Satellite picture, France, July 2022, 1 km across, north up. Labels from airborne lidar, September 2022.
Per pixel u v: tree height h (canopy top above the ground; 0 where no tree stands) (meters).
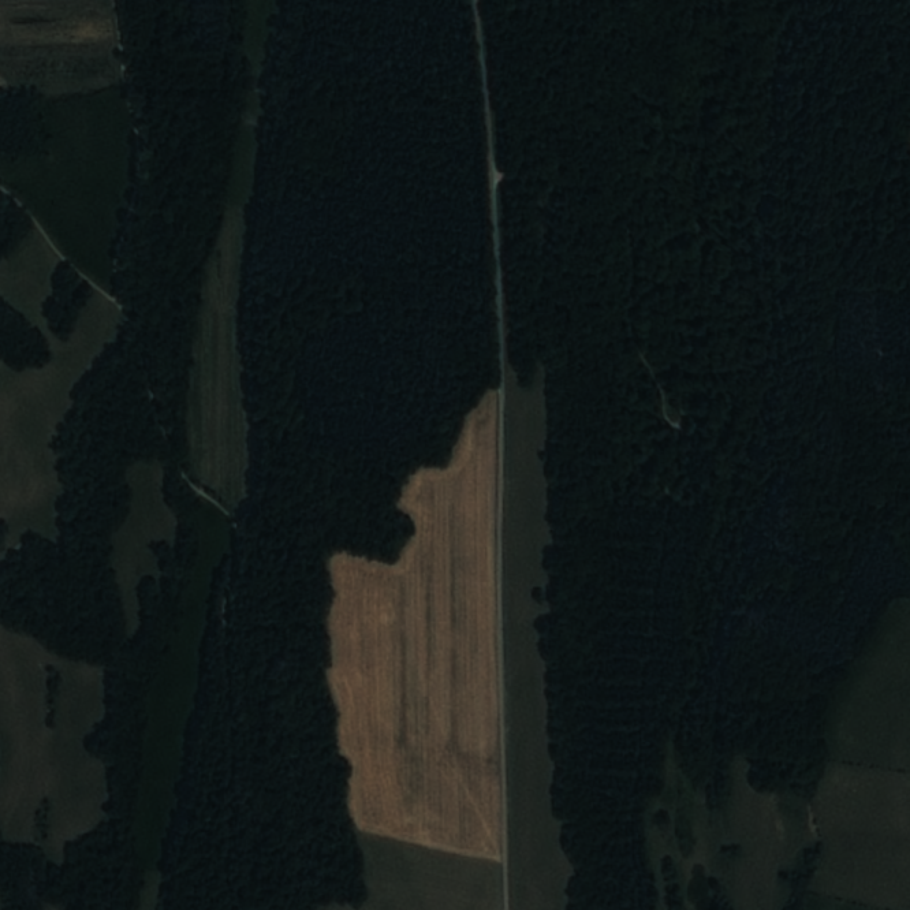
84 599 24
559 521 24
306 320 24
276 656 30
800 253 34
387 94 23
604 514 19
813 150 31
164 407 19
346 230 17
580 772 19
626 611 21
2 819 0
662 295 29
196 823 24
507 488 0
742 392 33
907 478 29
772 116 18
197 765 18
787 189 27
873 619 19
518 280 21
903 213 16
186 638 0
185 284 26
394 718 0
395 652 0
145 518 0
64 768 0
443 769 0
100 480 21
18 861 10
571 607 21
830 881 0
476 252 16
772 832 0
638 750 18
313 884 19
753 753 18
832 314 21
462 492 0
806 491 31
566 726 17
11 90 9
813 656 30
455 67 23
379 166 17
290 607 22
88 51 0
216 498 13
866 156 29
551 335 20
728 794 7
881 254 24
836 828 0
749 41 30
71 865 11
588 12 26
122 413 22
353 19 18
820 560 20
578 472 16
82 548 21
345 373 20
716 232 28
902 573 25
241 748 19
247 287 13
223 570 9
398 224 22
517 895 0
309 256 23
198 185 23
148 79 13
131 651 20
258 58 0
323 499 24
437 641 0
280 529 9
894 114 29
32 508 0
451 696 0
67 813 0
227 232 0
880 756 0
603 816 24
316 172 24
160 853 0
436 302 24
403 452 20
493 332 23
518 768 0
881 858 0
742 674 34
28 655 0
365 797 0
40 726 0
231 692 16
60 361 0
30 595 25
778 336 31
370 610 0
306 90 29
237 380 0
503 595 0
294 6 27
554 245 23
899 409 31
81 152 0
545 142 22
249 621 16
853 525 26
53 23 0
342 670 0
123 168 0
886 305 20
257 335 29
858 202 21
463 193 17
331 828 16
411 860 0
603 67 23
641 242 29
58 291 14
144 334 23
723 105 31
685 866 0
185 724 0
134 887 16
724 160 30
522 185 19
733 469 28
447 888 0
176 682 0
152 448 17
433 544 0
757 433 35
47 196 0
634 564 19
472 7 9
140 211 24
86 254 0
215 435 0
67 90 0
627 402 26
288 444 25
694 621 14
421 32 22
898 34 28
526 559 0
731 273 25
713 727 9
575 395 19
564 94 27
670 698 32
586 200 24
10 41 0
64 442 14
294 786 21
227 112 26
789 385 31
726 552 18
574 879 9
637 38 27
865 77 26
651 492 26
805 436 29
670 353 30
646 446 33
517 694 0
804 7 31
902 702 0
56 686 12
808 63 23
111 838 7
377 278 24
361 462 17
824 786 0
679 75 32
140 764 17
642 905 22
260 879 24
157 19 18
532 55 27
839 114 30
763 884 0
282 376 27
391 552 20
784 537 36
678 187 31
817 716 18
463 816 0
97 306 0
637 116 29
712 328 26
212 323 0
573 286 25
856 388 32
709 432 24
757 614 28
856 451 31
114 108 0
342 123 19
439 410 25
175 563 17
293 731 13
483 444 0
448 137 20
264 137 18
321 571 20
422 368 28
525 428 0
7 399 0
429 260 18
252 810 22
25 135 16
